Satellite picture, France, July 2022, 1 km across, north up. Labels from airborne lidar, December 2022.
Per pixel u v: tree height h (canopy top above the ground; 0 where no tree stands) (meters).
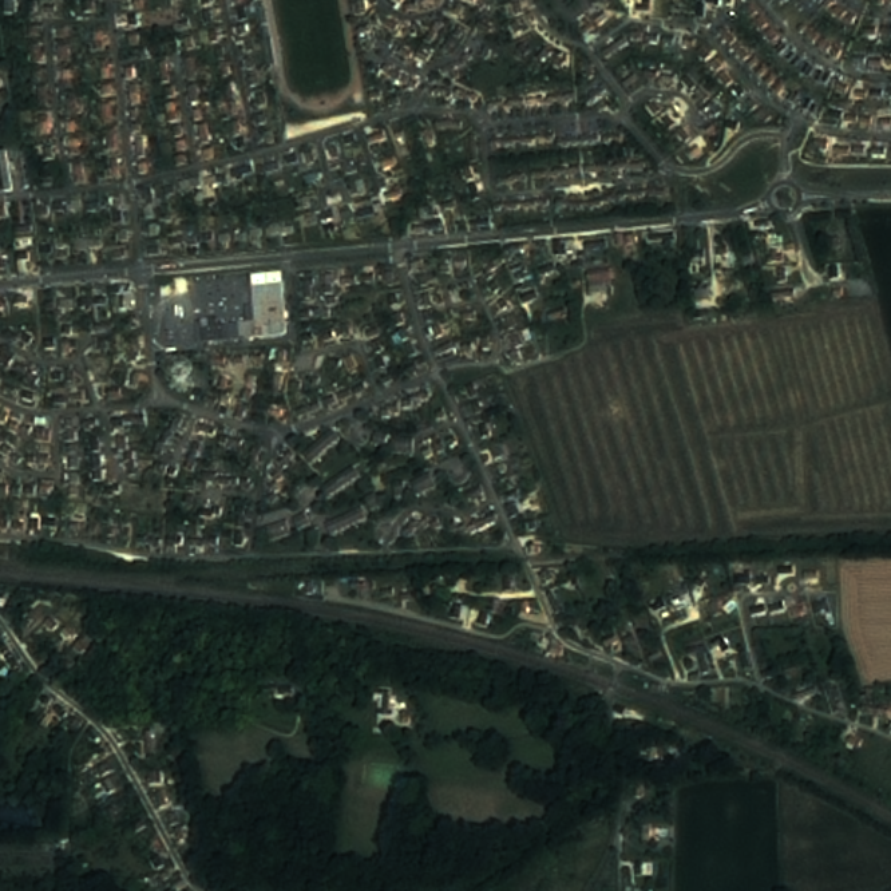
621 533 0
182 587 0
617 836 0
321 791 34
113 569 6
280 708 12
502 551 0
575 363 0
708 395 0
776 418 0
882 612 0
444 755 0
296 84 0
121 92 0
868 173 0
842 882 0
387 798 0
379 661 25
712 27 0
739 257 6
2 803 19
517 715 0
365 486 17
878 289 0
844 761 21
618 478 0
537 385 0
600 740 32
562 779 25
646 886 6
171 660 16
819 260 7
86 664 16
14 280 0
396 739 27
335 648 12
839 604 0
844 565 0
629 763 27
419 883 18
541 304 0
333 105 0
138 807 8
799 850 0
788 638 7
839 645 21
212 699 16
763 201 0
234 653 22
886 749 0
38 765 18
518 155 8
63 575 0
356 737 29
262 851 20
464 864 30
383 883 12
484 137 0
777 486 0
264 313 0
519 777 24
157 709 18
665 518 0
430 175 8
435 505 0
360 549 0
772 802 0
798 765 0
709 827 0
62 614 0
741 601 0
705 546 6
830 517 0
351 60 0
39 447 0
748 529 0
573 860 0
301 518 0
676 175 0
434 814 30
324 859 20
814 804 0
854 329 0
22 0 10
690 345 0
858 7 0
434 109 0
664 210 8
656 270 6
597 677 0
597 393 0
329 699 22
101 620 18
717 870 0
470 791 0
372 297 0
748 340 0
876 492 0
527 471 0
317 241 0
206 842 24
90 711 15
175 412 5
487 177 0
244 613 15
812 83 0
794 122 0
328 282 0
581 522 0
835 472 0
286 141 0
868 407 0
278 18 0
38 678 13
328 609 0
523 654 0
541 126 9
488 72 0
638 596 17
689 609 0
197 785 17
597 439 0
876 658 0
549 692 29
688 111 0
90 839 10
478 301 0
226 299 0
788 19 0
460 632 0
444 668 23
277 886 23
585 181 0
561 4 0
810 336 0
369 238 0
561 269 13
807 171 0
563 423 0
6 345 7
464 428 0
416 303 0
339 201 0
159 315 0
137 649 25
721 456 0
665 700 0
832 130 0
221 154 0
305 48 0
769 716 10
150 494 0
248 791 20
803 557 8
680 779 36
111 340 8
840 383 0
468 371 0
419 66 0
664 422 0
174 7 0
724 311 7
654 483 0
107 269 0
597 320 0
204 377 0
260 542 10
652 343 0
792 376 0
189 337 0
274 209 0
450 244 0
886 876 0
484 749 25
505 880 6
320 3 0
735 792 0
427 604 11
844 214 10
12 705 17
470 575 11
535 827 25
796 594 0
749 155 0
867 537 10
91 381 0
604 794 16
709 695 12
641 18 0
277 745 16
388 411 0
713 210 0
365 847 0
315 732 16
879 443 0
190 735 21
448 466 0
